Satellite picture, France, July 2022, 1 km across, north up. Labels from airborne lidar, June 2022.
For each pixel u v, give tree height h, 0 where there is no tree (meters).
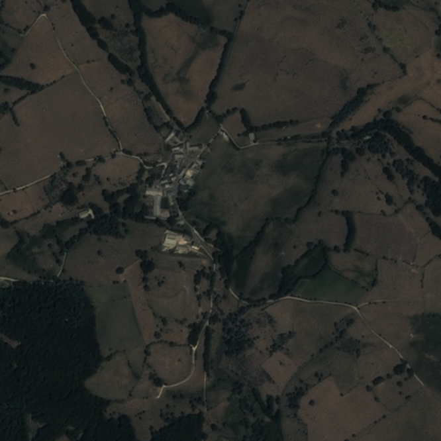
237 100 0
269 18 0
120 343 0
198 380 0
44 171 0
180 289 0
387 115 17
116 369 0
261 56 0
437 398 0
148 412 0
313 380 0
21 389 20
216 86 11
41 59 0
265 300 11
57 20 0
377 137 18
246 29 0
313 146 0
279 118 0
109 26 20
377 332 0
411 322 0
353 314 0
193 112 0
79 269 0
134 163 0
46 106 0
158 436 15
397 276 0
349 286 0
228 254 14
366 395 0
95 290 0
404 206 0
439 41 0
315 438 0
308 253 12
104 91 0
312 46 0
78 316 17
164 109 7
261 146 0
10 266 0
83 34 0
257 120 0
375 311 0
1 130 0
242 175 0
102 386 0
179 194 6
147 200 0
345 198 0
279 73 0
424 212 7
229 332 13
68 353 18
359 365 0
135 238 0
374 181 0
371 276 0
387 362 0
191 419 21
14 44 0
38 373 16
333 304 0
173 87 0
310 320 0
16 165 0
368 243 0
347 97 0
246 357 0
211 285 9
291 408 9
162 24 0
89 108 0
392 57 8
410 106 0
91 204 10
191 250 0
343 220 0
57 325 19
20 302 20
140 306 0
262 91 0
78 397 23
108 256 0
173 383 0
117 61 24
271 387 0
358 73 0
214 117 14
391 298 0
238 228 0
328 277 0
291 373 0
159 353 0
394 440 0
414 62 0
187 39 0
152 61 0
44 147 0
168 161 0
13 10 0
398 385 11
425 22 0
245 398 10
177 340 0
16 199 0
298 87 0
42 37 0
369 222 0
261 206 0
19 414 19
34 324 20
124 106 0
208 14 0
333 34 0
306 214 0
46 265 0
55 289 16
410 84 0
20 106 0
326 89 0
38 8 0
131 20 0
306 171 0
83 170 0
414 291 0
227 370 0
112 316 0
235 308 0
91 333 18
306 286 0
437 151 0
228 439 0
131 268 0
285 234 0
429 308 0
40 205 0
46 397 15
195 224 13
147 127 0
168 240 0
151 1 0
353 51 0
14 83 13
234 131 0
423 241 0
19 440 16
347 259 0
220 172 0
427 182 20
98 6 0
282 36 0
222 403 0
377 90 0
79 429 20
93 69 0
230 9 0
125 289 0
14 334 19
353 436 8
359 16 0
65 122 0
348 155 21
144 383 0
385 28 0
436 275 0
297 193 0
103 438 22
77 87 0
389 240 0
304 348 0
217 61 0
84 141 0
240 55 0
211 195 0
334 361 0
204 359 12
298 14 0
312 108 0
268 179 0
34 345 19
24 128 0
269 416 14
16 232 7
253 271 0
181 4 0
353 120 0
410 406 0
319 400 0
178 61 0
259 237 9
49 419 21
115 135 10
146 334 0
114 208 18
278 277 0
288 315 0
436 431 0
